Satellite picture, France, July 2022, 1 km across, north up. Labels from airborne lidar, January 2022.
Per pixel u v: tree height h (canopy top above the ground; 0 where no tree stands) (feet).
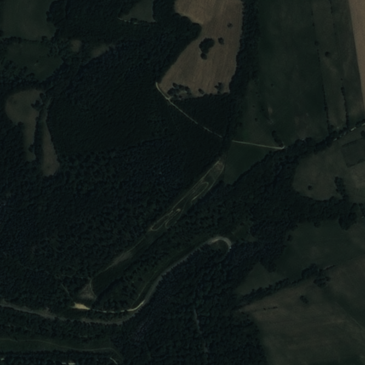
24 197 93
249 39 49
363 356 0
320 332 0
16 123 0
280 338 0
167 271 0
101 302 78
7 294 52
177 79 0
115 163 70
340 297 0
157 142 63
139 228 51
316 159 0
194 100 20
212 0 0
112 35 70
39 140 68
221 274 95
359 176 0
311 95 0
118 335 83
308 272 42
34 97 0
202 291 67
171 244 74
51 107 31
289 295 0
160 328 74
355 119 0
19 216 85
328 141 48
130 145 45
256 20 67
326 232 0
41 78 0
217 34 0
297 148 66
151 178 97
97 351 0
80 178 77
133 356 57
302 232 0
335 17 0
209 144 27
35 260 29
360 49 0
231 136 51
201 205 69
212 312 95
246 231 0
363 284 0
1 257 50
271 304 0
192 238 94
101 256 54
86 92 70
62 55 85
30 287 31
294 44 0
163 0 60
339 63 0
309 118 0
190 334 85
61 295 94
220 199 73
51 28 0
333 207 79
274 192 86
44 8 0
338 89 0
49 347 0
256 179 92
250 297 54
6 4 0
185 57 0
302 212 92
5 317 102
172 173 90
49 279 71
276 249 59
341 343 0
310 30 0
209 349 23
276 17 0
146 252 65
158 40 68
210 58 0
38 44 29
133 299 102
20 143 56
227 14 0
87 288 0
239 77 62
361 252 0
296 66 0
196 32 72
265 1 0
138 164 87
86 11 38
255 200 112
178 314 94
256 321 0
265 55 0
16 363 87
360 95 0
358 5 0
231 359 79
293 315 0
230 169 0
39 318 67
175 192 66
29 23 0
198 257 93
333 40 0
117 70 66
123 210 91
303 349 0
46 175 0
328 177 0
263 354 64
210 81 0
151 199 44
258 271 0
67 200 75
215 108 31
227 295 76
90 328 106
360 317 0
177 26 63
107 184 81
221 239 0
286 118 0
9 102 0
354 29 0
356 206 50
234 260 63
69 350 0
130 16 0
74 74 70
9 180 62
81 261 30
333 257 0
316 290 0
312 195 0
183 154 45
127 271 68
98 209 88
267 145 0
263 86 0
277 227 53
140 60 29
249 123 0
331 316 0
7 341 0
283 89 0
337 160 0
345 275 0
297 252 0
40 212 94
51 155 0
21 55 0
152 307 91
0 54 71
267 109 0
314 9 0
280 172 96
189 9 0
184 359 84
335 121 0
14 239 57
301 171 0
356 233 0
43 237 89
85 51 74
